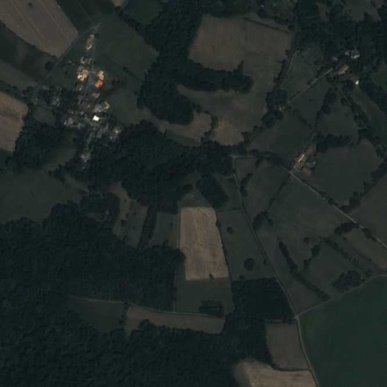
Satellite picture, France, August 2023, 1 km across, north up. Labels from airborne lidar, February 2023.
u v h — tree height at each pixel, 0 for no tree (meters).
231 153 12
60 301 20
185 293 0
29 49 0
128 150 25
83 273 18
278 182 0
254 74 0
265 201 0
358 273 8
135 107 0
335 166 0
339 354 0
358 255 0
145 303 16
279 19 13
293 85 0
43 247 19
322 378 0
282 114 16
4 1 0
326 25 14
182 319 0
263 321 18
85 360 23
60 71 0
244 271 0
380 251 0
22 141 14
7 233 19
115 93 0
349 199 0
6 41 0
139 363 19
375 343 0
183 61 17
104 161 20
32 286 11
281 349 0
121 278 15
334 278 0
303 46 7
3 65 0
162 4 8
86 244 30
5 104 0
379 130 0
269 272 0
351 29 25
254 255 0
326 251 0
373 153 0
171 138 0
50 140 17
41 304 18
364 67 20
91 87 0
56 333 22
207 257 0
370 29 29
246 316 18
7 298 8
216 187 15
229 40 0
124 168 32
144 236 11
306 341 0
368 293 0
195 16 18
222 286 0
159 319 0
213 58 0
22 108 0
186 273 0
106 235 16
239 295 14
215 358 23
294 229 0
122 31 0
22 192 0
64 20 0
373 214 0
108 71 0
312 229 0
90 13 0
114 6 0
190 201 0
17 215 0
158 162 11
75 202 0
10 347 26
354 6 0
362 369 0
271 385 0
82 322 20
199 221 0
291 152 0
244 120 0
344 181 0
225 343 26
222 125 0
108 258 25
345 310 0
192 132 0
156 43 19
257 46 0
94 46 0
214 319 0
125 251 22
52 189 0
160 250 19
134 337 19
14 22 0
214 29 0
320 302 0
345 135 0
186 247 0
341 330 0
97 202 16
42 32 0
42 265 24
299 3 12
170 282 17
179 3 22
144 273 21
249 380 0
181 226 0
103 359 22
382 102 22
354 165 0
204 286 0
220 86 13
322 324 0
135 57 0
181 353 21
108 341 10
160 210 10
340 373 0
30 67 0
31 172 0
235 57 0
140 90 0
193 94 0
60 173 21
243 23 10
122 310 0
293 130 0
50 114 0
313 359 0
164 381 22
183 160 15
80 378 21
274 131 0
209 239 0
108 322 0
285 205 0
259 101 0
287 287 0
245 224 0
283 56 0
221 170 21
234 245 0
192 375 24
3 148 0
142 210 0
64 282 24
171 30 20
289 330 0
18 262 22
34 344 20
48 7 0
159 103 23
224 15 9
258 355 22
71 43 0
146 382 18
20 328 18
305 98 0
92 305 0
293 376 0
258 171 0
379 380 0
